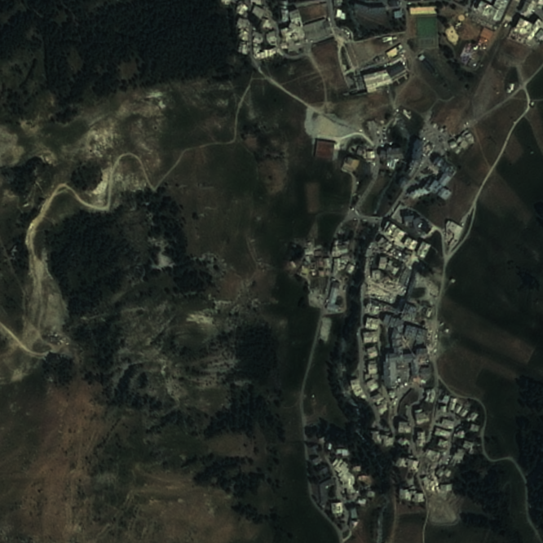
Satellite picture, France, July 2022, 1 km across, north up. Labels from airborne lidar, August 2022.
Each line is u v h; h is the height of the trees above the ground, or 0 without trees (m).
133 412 0
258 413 28
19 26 19
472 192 0
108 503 0
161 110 0
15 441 0
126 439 0
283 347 0
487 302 0
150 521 0
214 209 0
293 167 0
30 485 0
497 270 0
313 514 0
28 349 0
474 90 0
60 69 19
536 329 0
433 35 0
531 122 0
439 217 0
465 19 0
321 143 0
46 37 16
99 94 14
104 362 10
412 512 0
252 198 0
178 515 0
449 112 0
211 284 10
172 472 0
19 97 11
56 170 0
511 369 0
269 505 0
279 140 0
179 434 0
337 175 0
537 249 0
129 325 0
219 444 0
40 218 0
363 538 0
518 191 0
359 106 0
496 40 0
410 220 0
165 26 19
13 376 0
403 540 0
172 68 20
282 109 0
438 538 0
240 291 0
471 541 0
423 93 0
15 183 11
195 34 21
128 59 15
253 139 0
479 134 0
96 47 32
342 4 10
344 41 0
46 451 0
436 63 0
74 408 0
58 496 0
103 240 11
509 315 0
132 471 0
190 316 0
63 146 0
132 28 26
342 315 0
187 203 0
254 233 0
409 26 0
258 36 0
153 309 0
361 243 21
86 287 11
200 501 0
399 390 0
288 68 0
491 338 0
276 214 0
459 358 0
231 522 0
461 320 0
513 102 0
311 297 0
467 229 0
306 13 0
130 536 0
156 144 0
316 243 0
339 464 0
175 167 0
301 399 0
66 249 9
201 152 0
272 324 0
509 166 0
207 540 0
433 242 0
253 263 0
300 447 0
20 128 0
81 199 0
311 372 0
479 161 0
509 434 0
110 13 18
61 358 7
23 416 0
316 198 0
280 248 0
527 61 0
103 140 0
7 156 0
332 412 0
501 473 11
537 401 15
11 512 0
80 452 0
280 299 0
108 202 0
